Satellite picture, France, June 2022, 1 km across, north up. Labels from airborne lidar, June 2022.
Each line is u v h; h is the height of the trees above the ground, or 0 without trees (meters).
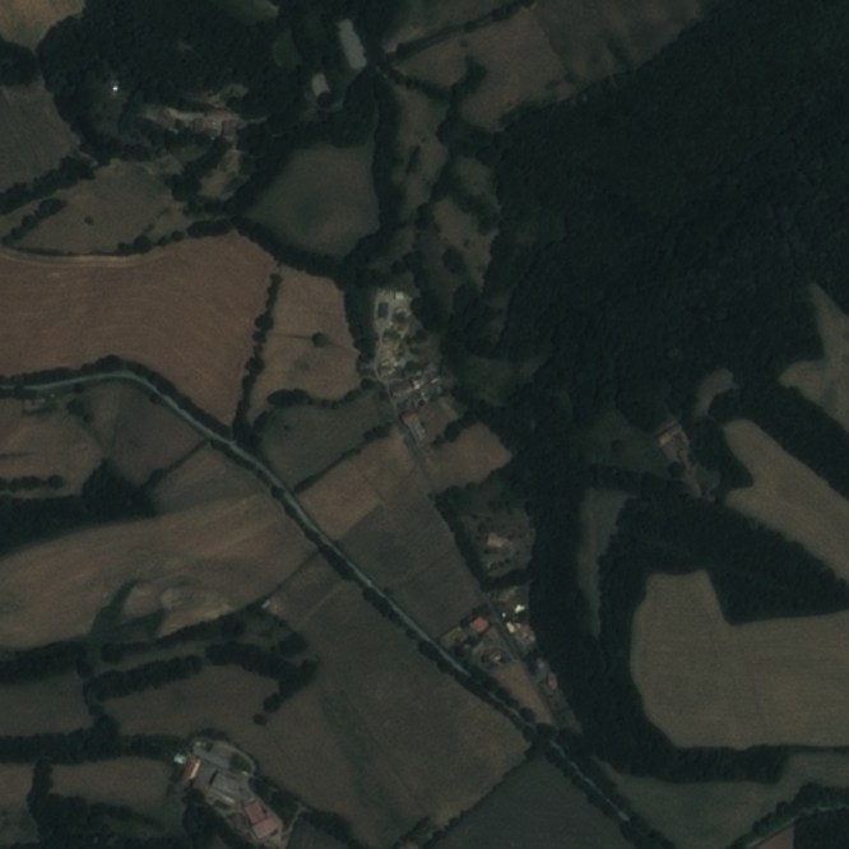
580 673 19
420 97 0
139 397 0
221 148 19
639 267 22
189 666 17
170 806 0
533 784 0
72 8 0
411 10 0
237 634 11
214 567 0
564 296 23
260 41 18
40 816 22
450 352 8
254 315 0
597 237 22
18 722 0
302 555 0
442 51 0
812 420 16
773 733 0
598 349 15
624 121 16
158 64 20
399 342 0
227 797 0
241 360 0
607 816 13
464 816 9
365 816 0
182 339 0
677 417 20
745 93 25
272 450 0
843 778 0
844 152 26
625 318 25
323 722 0
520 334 11
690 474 0
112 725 22
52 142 0
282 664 21
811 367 0
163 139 12
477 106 0
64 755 16
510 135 18
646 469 0
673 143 15
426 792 0
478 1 0
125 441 0
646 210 19
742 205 28
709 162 23
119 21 16
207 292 0
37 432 0
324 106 11
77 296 0
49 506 19
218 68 12
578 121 18
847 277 24
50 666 11
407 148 0
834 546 0
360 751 0
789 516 0
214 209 17
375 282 18
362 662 0
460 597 0
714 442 17
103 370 17
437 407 0
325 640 0
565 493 25
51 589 0
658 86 16
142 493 18
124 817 8
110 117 7
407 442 0
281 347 0
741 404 18
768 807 0
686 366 24
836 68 15
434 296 20
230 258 0
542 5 0
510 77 0
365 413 0
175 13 21
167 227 0
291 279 0
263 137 21
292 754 0
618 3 0
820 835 17
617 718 8
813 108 25
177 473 0
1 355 0
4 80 18
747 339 20
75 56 21
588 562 0
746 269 24
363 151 0
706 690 0
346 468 0
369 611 0
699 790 0
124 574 0
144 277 0
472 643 14
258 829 0
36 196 15
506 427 19
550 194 18
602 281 27
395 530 0
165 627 0
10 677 13
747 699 0
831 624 0
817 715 0
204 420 16
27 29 0
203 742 0
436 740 0
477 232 0
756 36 20
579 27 0
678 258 23
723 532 20
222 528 0
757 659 0
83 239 0
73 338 0
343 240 0
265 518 0
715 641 0
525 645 0
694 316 24
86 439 0
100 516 17
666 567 15
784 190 33
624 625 14
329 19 12
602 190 12
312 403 10
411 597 0
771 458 0
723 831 0
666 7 0
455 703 0
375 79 18
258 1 0
